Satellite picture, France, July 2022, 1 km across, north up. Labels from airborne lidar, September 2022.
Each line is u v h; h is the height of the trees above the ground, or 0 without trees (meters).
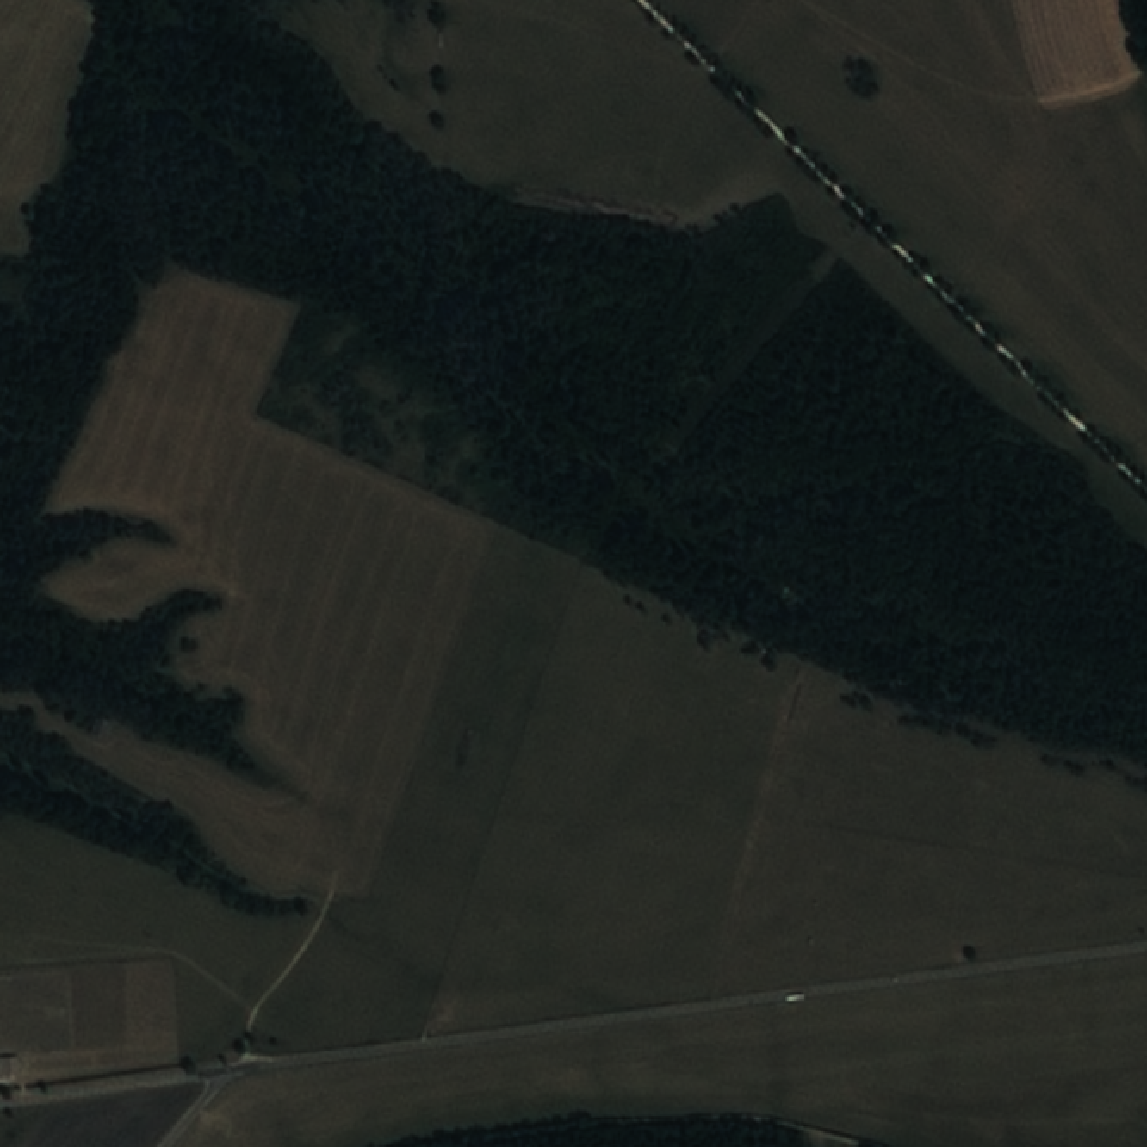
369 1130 0
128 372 0
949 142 0
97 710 20
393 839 0
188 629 0
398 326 13
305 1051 0
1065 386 0
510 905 0
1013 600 15
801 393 9
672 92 0
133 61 20
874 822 0
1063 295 0
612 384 16
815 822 0
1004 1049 0
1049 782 0
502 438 16
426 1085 0
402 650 0
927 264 12
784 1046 0
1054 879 0
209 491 0
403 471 0
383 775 0
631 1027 0
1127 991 0
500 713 0
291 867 0
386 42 0
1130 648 17
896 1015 0
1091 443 12
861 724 0
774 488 9
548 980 0
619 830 0
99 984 0
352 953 0
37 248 7
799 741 0
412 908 0
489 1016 0
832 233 0
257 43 20
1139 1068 0
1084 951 0
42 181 0
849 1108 0
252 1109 0
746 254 6
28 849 0
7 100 0
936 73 0
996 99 0
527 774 0
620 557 20
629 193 0
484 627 0
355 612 0
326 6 0
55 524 26
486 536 0
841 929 0
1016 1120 0
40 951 0
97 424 0
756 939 0
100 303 22
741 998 0
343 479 0
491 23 0
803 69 0
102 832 18
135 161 24
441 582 0
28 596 17
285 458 0
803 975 0
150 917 0
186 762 0
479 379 9
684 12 0
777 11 0
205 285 0
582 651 0
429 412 0
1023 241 0
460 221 8
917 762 0
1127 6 13
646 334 16
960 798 0
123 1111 0
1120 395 0
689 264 16
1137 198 0
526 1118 0
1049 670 21
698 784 0
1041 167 0
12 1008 0
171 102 9
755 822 0
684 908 0
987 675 12
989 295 0
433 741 0
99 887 0
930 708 19
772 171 0
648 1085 0
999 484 7
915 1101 0
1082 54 0
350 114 14
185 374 0
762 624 21
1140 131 0
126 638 15
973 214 0
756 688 0
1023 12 0
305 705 0
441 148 0
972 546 17
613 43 0
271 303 0
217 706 14
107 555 0
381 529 0
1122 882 0
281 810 0
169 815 13
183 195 23
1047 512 17
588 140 0
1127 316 0
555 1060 0
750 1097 0
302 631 0
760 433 16
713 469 19
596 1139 8
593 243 21
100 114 18
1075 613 13
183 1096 0
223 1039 0
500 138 0
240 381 0
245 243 20
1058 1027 0
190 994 0
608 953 0
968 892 0
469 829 0
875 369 16
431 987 0
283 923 0
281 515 0
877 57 0
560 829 0
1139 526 0
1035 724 17
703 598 19
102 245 21
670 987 0
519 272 16
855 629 25
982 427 13
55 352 20
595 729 0
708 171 0
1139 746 21
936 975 0
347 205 12
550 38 0
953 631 14
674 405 9
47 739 11
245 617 0
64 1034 0
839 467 16
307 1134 0
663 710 0
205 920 0
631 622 0
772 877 0
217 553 0
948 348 0
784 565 9
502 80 0
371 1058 0
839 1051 0
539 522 6
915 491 17
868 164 0
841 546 13
